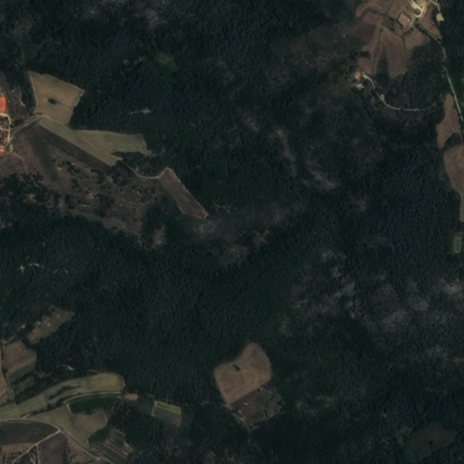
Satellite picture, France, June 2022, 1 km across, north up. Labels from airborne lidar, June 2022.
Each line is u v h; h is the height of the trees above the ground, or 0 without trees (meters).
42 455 0
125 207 0
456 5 14
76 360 8
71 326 12
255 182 15
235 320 15
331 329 13
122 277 14
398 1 0
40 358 11
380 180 8
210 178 15
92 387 0
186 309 21
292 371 7
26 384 0
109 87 16
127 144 0
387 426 20
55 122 0
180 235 7
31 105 7
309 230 15
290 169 10
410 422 18
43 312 8
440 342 14
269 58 6
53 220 18
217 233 0
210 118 6
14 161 0
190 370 19
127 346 12
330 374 10
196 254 19
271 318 9
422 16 0
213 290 16
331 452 16
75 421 0
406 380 19
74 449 0
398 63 0
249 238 12
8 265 10
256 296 10
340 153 6
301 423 10
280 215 0
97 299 8
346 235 22
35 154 0
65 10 13
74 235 22
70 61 28
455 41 6
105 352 9
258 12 19
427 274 7
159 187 0
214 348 15
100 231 15
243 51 13
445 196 8
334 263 10
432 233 13
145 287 14
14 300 10
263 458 7
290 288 6
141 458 7
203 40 20
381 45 0
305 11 7
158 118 19
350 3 0
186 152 10
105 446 0
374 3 0
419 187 13
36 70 12
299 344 9
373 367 10
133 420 6
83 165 0
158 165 17
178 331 24
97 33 19
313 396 6
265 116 7
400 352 8
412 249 16
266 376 0
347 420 14
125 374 8
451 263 8
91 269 16
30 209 10
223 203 8
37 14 17
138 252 14
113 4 7
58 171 0
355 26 0
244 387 0
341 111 7
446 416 23
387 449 15
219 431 7
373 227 10
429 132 7
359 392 11
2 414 0
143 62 9
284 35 9
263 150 16
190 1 10
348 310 10
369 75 0
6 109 0
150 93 29
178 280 21
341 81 0
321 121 10
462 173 0
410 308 11
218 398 7
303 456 16
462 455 14
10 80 9
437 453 14
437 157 6
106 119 20
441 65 11
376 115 14
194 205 0
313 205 13
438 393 6
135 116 17
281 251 23
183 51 18
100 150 0
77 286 13
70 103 0
